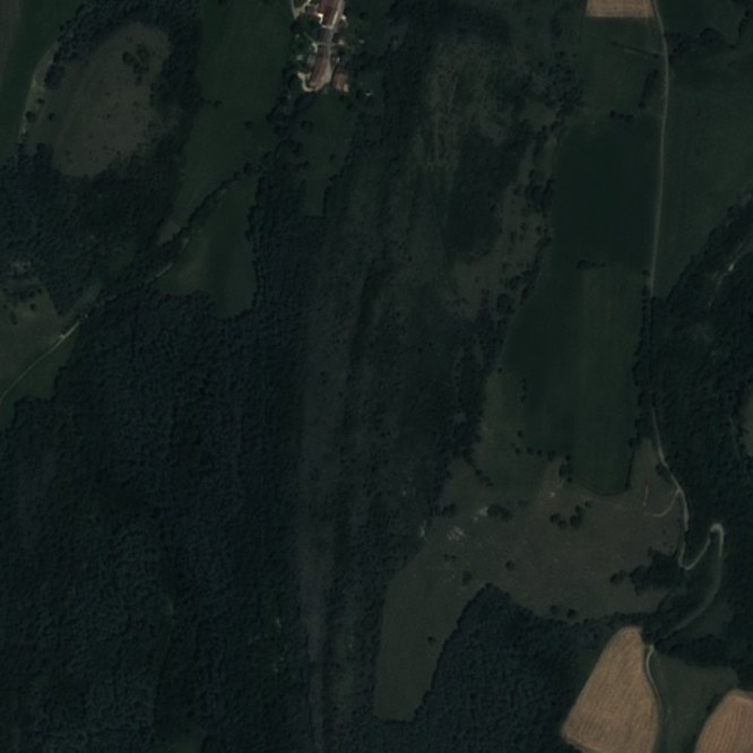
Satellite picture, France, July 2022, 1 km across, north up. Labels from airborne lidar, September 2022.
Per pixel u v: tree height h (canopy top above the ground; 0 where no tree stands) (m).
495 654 23
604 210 0
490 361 15
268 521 15
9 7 0
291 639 8
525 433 9
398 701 0
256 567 12
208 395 28
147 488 24
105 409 22
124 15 11
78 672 19
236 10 0
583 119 0
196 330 17
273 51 0
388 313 9
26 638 14
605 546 0
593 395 0
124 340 11
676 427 20
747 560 14
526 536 0
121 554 22
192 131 9
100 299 9
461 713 22
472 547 0
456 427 6
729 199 0
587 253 0
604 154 0
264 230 17
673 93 0
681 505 0
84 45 13
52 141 0
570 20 0
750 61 0
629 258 0
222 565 20
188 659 8
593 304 0
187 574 21
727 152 0
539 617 7
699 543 7
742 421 20
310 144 0
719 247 12
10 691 16
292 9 0
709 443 11
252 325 16
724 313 19
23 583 14
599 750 0
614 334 0
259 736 13
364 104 8
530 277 13
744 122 0
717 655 12
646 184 0
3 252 13
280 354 17
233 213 0
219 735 21
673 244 0
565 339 0
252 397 11
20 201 9
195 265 0
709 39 9
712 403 15
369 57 12
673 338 7
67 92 0
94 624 22
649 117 0
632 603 0
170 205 6
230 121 0
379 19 0
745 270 9
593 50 0
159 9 9
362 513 7
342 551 6
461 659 22
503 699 19
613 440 0
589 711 0
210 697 29
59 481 14
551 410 0
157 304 18
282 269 15
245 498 13
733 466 13
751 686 6
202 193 0
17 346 0
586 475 0
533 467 0
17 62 0
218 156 0
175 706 10
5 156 0
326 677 7
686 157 0
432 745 20
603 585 0
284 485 12
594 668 0
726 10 0
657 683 0
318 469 7
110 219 14
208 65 0
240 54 0
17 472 8
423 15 10
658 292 0
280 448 16
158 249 7
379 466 9
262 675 8
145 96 0
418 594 0
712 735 0
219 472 29
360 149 9
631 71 0
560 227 0
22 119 0
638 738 0
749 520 15
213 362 22
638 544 0
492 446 0
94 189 11
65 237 11
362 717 13
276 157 7
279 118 15
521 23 0
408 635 0
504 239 0
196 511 23
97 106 0
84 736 15
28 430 15
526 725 26
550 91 9
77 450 23
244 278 0
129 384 17
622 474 0
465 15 6
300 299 9
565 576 0
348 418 9
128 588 19
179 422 14
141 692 20
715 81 0
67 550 19
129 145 0
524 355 0
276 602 7
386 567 11
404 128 6
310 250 12
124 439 18
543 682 18
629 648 0
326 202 10
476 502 0
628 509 0
